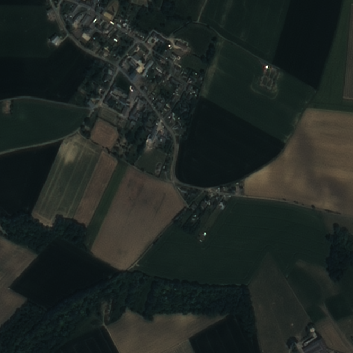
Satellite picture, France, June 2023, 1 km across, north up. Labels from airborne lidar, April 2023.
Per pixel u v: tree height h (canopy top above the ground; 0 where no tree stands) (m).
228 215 0
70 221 11
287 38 0
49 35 0
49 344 20
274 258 0
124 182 0
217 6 0
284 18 0
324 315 0
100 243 0
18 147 0
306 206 0
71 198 0
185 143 0
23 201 0
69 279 0
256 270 0
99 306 0
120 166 0
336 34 0
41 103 0
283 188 0
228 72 0
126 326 0
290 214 0
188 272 0
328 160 0
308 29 0
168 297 21
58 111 0
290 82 0
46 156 0
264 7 0
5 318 0
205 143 0
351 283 0
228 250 0
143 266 0
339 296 0
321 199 0
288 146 0
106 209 0
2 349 15
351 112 0
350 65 0
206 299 12
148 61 0
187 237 0
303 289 0
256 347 0
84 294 20
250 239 0
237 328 0
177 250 0
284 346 0
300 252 0
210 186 0
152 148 0
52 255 0
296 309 0
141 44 0
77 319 19
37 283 0
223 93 0
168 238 0
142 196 0
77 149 0
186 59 0
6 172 0
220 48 0
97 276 0
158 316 0
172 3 12
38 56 0
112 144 0
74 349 0
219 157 0
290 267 0
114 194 0
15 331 16
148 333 0
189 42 0
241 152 0
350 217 0
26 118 0
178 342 0
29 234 22
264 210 0
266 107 0
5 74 0
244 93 0
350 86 0
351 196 0
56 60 0
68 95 0
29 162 0
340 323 0
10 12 0
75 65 0
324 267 0
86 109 0
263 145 0
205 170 0
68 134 0
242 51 0
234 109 0
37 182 0
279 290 0
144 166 0
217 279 0
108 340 0
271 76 0
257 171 0
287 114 0
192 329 0
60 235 9
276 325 0
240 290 16
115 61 0
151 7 16
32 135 0
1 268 0
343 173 0
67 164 0
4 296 0
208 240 0
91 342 0
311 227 0
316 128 0
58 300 0
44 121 0
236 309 22
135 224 0
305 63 0
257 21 0
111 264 0
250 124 0
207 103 0
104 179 0
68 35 0
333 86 0
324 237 0
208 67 0
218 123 0
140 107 0
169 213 0
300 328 0
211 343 0
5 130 0
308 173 0
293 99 0
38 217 0
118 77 0
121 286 18
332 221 0
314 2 0
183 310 16
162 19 0
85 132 17
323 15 0
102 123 0
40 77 0
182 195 0
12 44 0
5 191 0
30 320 16
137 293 16
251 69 0
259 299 0
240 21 0
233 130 0
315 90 0
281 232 0
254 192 0
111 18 0
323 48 0
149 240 0
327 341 0
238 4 0
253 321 23
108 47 0
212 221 0
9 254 0
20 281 0
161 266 0
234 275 0
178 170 0
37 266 0
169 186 0
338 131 0
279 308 0
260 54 0
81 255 0
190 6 0
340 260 35
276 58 0
